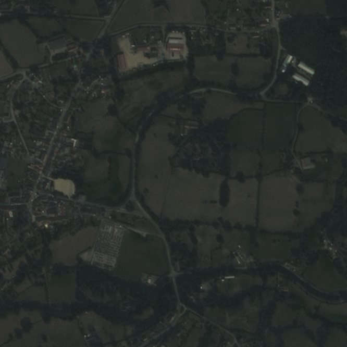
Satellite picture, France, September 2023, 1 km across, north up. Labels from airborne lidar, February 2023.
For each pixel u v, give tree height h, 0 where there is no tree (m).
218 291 18
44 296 0
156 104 0
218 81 0
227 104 0
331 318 0
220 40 10
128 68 0
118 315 10
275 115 0
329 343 0
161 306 19
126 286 24
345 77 18
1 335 0
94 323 0
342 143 0
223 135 21
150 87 0
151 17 0
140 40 0
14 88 0
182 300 16
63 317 19
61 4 0
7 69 0
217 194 0
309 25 15
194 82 15
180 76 0
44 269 0
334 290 0
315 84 19
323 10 0
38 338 0
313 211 0
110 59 15
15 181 0
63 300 0
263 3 6
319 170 0
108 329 0
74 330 0
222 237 14
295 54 17
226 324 0
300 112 0
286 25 17
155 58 0
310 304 0
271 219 0
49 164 0
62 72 0
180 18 0
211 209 0
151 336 0
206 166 20
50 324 0
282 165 6
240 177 21
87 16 0
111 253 0
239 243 0
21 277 20
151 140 0
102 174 0
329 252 8
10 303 17
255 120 0
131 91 0
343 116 0
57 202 0
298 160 0
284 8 0
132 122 0
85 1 0
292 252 14
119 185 0
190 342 0
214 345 0
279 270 16
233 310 0
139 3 0
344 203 10
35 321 0
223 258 0
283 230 0
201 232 0
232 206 0
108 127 0
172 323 0
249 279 0
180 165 13
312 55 17
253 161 0
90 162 0
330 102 20
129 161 0
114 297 0
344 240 0
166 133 0
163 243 0
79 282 20
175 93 0
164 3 10
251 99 20
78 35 0
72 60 5
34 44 0
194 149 14
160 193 0
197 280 23
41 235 7
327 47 21
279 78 16
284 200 0
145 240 7
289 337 0
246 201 0
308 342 0
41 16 12
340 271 19
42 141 0
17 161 0
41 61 0
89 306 19
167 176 0
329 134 0
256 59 0
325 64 19
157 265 0
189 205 0
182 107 12
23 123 0
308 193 0
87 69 17
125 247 0
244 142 0
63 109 0
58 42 0
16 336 18
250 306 0
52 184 6
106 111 0
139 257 0
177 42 0
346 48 0
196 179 0
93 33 0
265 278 18
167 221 16
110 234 0
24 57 0
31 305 15
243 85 0
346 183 22
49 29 0
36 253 6
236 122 0
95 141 0
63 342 0
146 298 6
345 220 17
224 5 0
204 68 0
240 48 0
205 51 11
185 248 9
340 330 0
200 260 0
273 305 16
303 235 12
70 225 12
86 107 0
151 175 0
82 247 0
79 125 0
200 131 20
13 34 0
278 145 0
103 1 10
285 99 13
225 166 25
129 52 0
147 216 0
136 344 9
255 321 0
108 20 0
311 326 0
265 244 0
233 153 0
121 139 0
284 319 0
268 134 0
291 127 0
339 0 14
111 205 0
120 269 0
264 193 0
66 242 0
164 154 0
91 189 0
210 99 0
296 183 0
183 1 0
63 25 0
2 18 10
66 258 0
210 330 19
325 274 0
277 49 0
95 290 21
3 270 12
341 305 0
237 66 10
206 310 0
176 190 0
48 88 0
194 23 0
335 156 0
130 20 0
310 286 11
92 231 0
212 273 16
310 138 0
